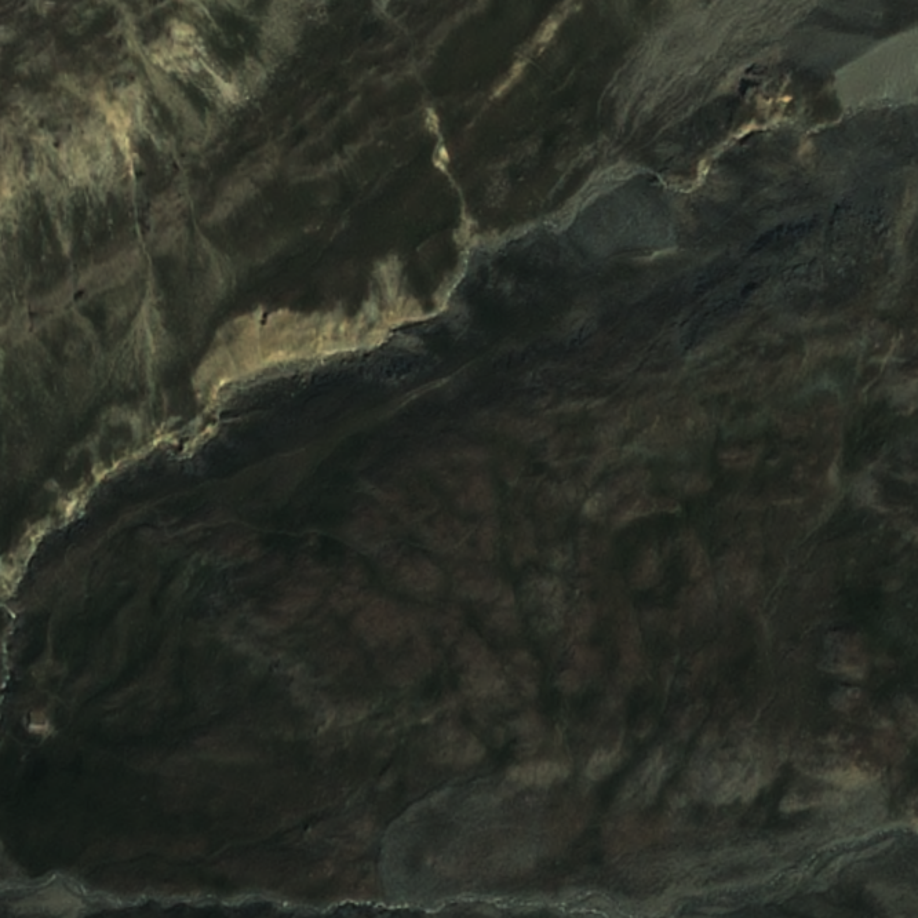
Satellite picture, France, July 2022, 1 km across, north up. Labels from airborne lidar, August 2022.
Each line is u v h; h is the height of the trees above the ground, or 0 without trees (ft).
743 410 0
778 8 0
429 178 0
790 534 0
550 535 0
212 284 0
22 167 0
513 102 0
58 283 0
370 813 0
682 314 0
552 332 0
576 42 0
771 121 0
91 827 0
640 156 0
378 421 0
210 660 0
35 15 0
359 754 0
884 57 0
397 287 0
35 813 0
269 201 0
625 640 0
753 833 0
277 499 0
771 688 0
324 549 0
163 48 0
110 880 0
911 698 0
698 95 0
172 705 0
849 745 0
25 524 0
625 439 0
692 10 0
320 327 0
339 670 0
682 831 0
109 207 0
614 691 0
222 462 0
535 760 0
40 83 0
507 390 0
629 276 0
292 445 0
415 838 0
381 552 0
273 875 0
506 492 0
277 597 0
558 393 0
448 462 0
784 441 0
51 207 0
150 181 0
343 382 0
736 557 0
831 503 0
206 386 0
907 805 0
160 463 0
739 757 0
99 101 0
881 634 0
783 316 0
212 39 0
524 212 0
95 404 0
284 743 0
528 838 0
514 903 0
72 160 0
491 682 0
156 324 0
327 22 0
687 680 0
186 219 44
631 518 0
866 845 0
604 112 0
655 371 0
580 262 0
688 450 0
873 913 0
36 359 0
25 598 0
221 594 0
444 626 0
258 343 0
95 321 0
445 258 0
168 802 0
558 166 0
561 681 0
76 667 0
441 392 0
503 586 0
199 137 0
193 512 0
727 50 0
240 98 0
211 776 0
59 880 0
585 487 0
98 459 0
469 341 0
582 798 0
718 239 0
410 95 0
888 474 0
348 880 0
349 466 0
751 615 0
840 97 0
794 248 0
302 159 0
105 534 0
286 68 0
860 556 0
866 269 0
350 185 0
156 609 0
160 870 0
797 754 0
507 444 0
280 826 0
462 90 0
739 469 0
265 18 0
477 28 0
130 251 0
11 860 0
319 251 0
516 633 0
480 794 0
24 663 0
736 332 0
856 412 0
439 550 0
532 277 0
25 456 0
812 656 0
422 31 0
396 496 0
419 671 0
